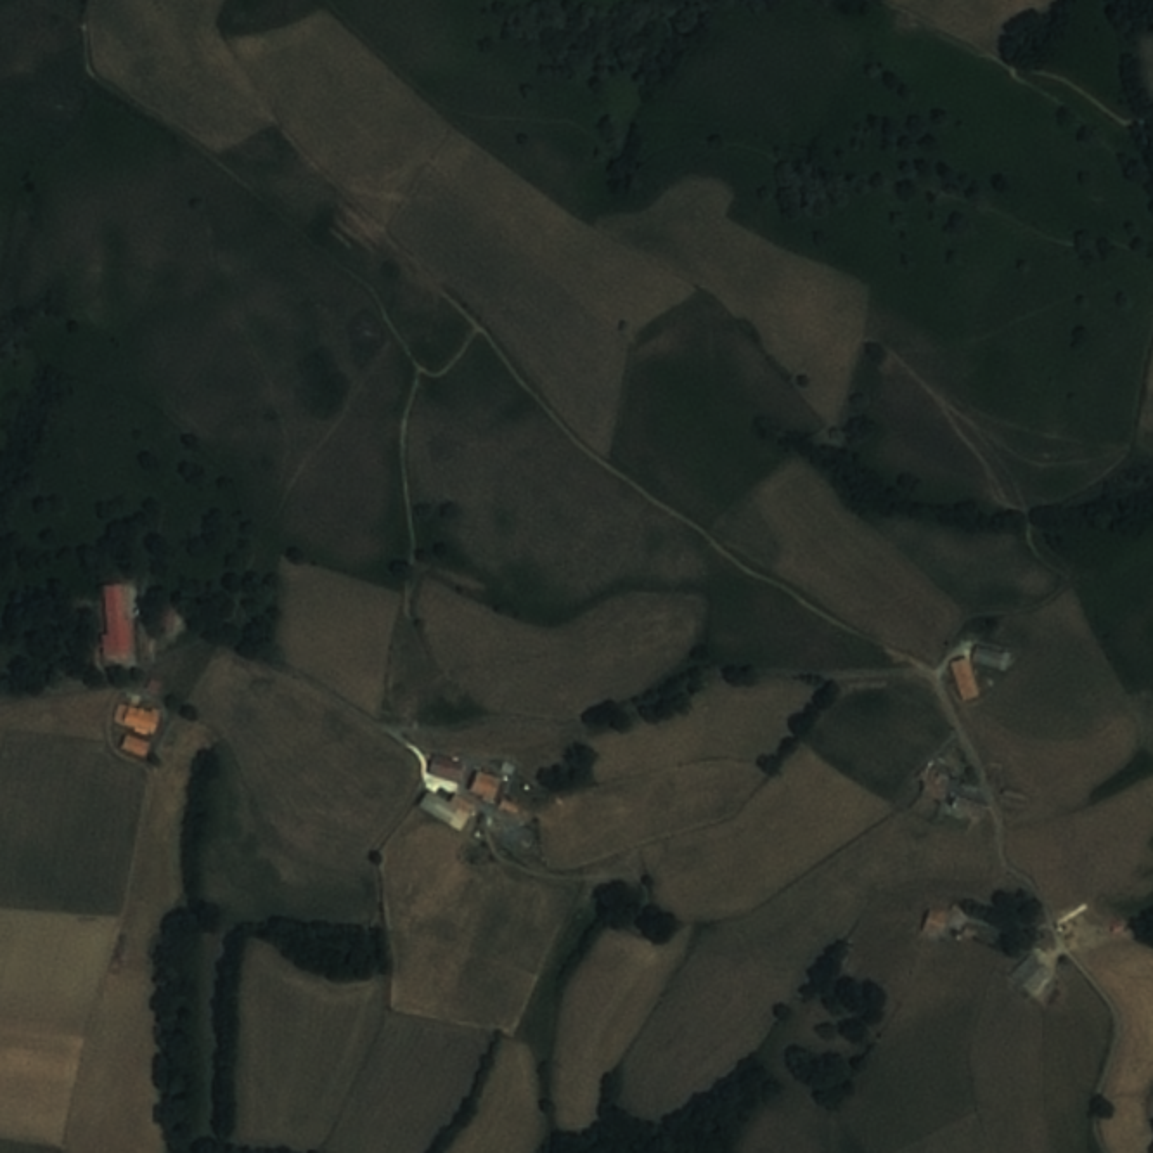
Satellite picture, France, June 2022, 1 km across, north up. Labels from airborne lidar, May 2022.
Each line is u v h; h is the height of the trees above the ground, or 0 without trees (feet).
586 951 23
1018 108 0
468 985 0
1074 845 0
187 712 42
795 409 0
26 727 0
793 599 0
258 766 0
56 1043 0
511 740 0
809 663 0
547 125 0
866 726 0
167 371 0
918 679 0
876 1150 0
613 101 0
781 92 0
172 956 88
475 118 0
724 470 0
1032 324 0
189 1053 57
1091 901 0
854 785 0
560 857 0
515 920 0
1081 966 0
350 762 0
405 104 0
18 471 43
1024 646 0
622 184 32
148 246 0
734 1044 0
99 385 0
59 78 0
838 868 0
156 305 0
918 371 0
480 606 0
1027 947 37
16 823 0
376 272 0
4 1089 0
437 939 0
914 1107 0
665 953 0
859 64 0
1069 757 0
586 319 0
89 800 0
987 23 0
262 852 0
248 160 0
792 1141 0
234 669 0
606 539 0
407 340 0
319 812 0
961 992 0
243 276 0
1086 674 0
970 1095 0
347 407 0
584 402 0
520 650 0
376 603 0
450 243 0
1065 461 0
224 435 0
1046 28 52
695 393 0
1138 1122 0
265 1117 0
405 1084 0
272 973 0
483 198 0
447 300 0
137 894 0
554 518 0
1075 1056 0
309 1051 0
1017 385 0
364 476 0
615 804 0
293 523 0
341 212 0
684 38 56
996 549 0
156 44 0
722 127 0
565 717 0
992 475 0
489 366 0
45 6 0
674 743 0
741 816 0
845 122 0
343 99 0
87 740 0
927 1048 0
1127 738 0
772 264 0
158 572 34
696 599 0
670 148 0
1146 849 0
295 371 0
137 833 0
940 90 0
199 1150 61
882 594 0
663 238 0
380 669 0
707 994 0
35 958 0
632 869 0
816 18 0
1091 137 61
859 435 49
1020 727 0
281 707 0
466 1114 48
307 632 0
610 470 0
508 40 39
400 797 0
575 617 0
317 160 0
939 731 0
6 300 0
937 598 0
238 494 0
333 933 39
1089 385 0
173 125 0
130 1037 0
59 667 35
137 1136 0
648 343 0
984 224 0
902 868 0
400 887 0
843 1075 51
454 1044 0
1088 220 0
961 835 0
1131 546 0
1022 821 0
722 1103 67
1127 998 0
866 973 0
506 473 0
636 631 0
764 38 0
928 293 0
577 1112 0
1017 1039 0
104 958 0
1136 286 0
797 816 0
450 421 0
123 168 0
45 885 0
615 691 0
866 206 0
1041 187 0
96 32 0
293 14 0
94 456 0
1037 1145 0
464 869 0
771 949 0
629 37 66
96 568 42
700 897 0
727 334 0
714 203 0
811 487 0
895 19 0
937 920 0
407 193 0
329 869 0
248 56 0
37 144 0
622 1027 0
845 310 0
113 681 51
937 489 0
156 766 35
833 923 0
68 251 0
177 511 0
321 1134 0
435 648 0
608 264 0
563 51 52
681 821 0
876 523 0
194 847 37
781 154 26
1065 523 21
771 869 0
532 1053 0
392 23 0
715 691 0
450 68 0
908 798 0
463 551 0
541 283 0
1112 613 0
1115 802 0
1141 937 38
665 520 0
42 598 57
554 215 0
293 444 0
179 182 0
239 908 0
